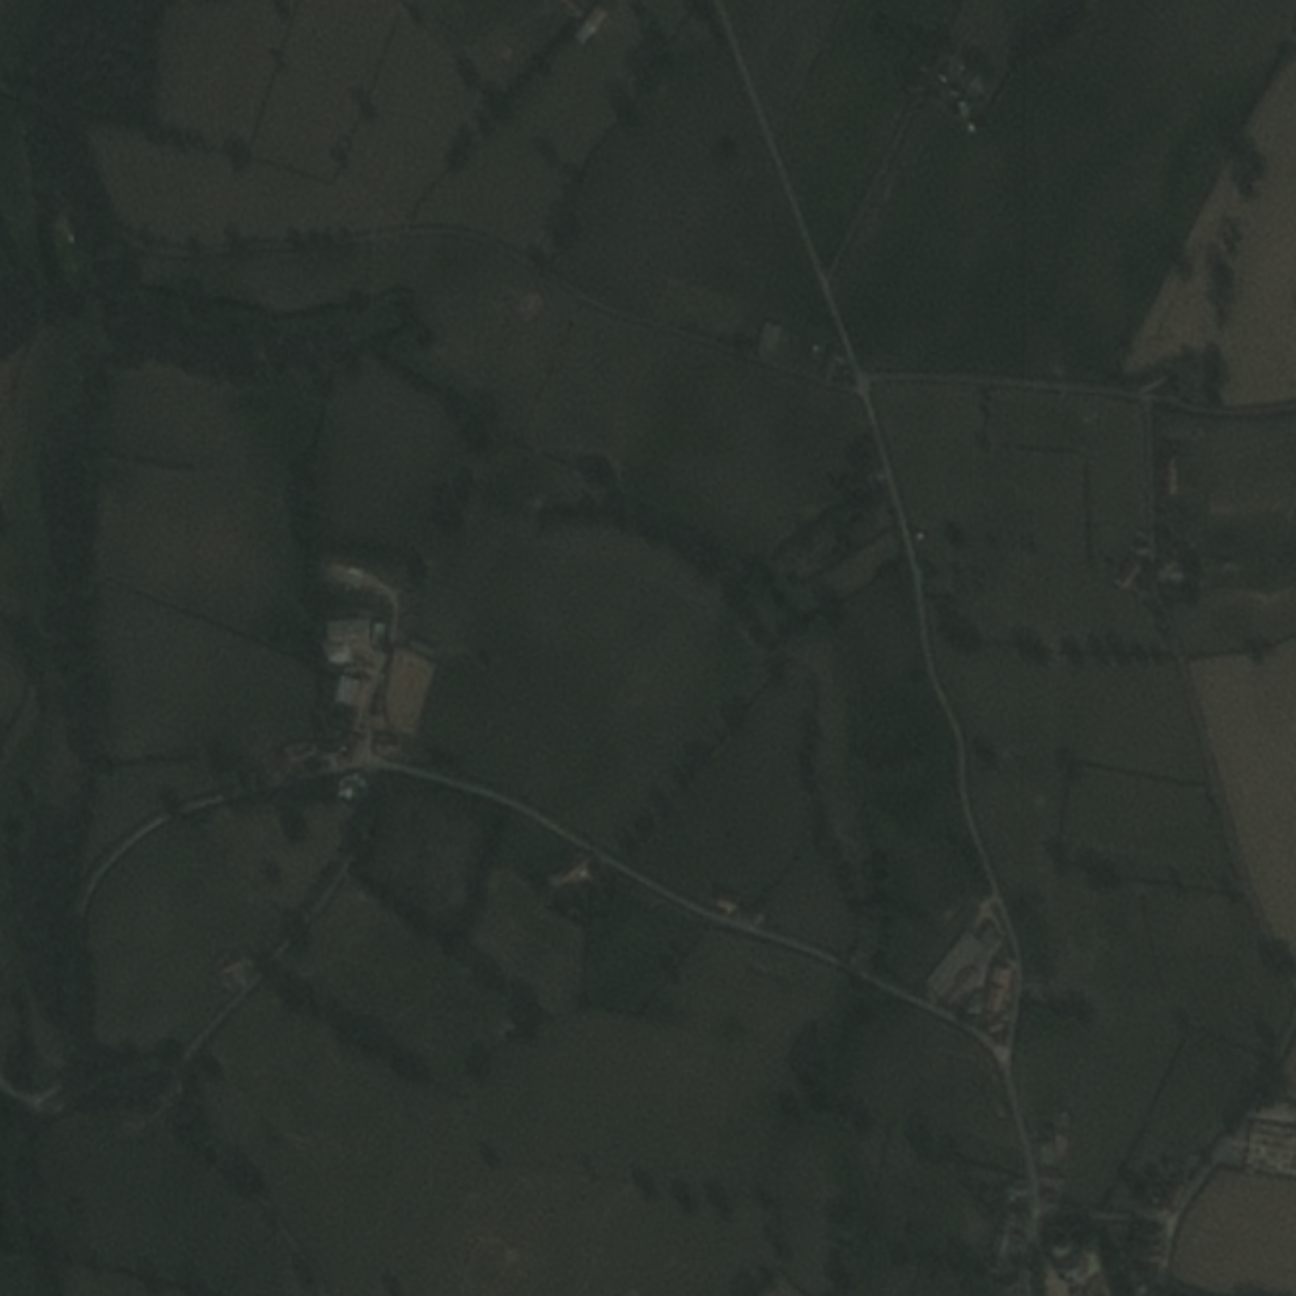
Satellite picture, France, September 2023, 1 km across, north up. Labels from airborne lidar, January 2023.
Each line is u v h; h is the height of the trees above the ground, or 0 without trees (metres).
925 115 0
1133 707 0
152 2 15
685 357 0
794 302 0
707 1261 0
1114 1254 20
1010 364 0
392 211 0
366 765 0
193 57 0
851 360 0
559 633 0
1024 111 0
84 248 6
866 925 0
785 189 0
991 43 0
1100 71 0
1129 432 0
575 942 0
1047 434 0
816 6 0
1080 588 0
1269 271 0
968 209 0
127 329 24
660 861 0
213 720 0
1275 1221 0
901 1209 0
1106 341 0
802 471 0
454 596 0
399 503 0
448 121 0
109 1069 10
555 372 0
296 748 0
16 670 0
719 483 0
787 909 0
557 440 0
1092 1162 0
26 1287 0
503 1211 0
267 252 0
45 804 0
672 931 0
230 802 11
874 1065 0
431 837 0
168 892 0
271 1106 0
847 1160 0
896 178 0
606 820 0
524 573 0
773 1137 0
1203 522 0
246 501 0
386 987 0
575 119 0
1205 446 0
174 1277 0
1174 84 0
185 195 0
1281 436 0
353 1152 0
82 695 18
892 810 0
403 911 10
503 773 0
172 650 0
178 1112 12
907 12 0
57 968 18
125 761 0
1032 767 0
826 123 0
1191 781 0
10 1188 0
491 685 0
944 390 0
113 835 0
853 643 0
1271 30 0
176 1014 0
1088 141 0
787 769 0
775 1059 0
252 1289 0
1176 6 0
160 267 0
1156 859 0
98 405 17
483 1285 0
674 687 0
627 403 0
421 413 0
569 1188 0
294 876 0
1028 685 0
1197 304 0
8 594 0
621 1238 0
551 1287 0
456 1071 0
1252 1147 0
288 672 0
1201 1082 0
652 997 0
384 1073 0
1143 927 0
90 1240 0
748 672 0
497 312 0
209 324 0
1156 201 0
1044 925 0
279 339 13
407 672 0
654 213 0
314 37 0
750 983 0
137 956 0
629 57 0
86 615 18
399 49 0
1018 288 0
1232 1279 0
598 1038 0
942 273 0
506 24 0
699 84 0
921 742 0
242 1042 0
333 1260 0
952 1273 13
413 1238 0
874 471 0
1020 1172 0
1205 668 0
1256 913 0
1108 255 0
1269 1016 0
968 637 18
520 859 0
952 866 0
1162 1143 0
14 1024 0
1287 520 0
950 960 0
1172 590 7
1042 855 0
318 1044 0
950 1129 0
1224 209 0
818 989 0
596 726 0
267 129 0
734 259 0
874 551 0
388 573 0
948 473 0
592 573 0
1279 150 0
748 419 0
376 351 6
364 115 12
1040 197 0
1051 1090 0
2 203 0
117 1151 0
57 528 19
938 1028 0
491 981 18
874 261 0
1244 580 0
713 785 0
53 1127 13
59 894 15
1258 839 0
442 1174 0
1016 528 0
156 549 0
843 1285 19
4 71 0
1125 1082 0
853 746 0
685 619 0
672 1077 0
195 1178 0
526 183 0
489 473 0
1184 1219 0
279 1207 0
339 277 0
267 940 0
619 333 0
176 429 0
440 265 0
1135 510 0
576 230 14
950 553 0
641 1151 0
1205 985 0
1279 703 0
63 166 12
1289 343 0
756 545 0
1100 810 0
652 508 0
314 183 0
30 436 0
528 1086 0
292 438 0
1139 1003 0
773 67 0
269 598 0
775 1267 0
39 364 0
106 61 24
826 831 17
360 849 13
